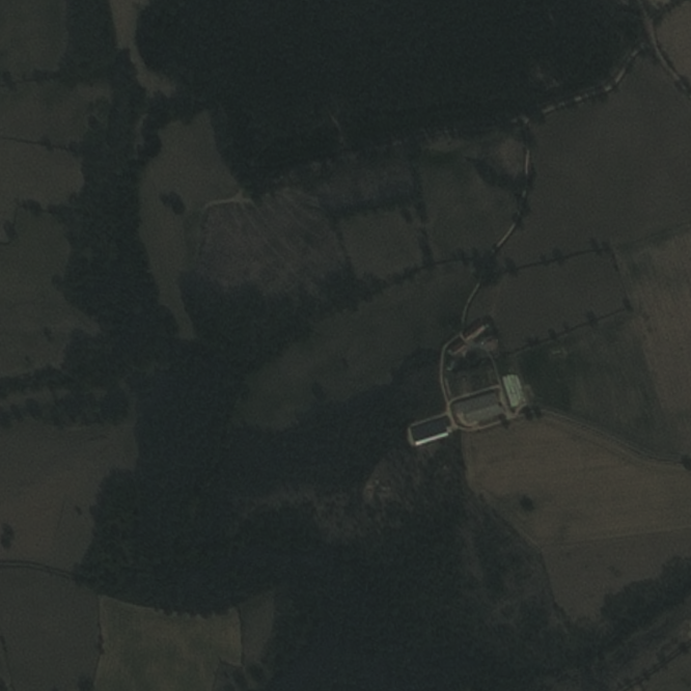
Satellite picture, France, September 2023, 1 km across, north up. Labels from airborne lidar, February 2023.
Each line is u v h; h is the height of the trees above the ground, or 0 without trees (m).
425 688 26
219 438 17
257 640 0
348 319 0
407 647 21
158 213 0
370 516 10
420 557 12
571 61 22
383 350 0
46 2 0
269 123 23
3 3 0
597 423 0
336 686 27
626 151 0
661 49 13
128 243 10
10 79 17
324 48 18
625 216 0
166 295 0
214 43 22
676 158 0
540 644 8
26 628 0
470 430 0
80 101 0
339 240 19
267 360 12
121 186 13
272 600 0
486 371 0
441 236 0
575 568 0
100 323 13
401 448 10
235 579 9
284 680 7
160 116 20
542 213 0
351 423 21
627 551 0
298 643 14
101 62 15
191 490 18
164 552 23
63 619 0
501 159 0
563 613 10
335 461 20
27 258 0
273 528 23
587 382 0
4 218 0
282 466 21
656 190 0
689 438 0
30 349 0
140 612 0
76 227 6
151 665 0
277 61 22
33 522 0
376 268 0
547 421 0
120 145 24
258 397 0
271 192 25
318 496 8
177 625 0
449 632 10
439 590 6
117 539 6
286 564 11
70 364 11
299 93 25
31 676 0
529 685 19
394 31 20
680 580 15
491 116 0
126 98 17
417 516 15
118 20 0
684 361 0
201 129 0
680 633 0
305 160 7
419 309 0
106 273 16
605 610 8
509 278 0
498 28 21
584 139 0
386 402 19
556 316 0
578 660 14
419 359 6
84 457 0
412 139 23
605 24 20
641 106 0
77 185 0
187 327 0
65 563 0
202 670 0
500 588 6
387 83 19
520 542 18
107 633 0
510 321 0
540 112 15
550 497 0
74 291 10
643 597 7
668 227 0
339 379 0
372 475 0
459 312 0
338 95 21
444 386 0
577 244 0
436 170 0
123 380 0
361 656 26
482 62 22
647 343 0
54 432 0
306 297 16
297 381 0
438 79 20
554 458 0
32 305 0
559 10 19
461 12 20
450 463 0
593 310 0
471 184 0
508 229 0
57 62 0
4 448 0
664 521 0
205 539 7
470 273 0
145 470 28
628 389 0
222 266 19
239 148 9
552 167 0
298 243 23
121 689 0
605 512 0
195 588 6
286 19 20
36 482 0
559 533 0
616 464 0
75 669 0
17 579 0
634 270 0
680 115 0
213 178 0
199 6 22
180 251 0
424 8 18
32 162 0
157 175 0
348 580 35
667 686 0
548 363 0
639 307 0
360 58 22
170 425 42
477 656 17
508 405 0
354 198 22
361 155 21
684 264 0
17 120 0
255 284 15
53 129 0
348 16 21
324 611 6
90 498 0
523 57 20
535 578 18
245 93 24
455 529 7
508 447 0
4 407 0
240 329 22
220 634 0
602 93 17
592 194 0
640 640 0
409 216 15
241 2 21
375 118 17
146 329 24
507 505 0
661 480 0
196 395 40
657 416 0
